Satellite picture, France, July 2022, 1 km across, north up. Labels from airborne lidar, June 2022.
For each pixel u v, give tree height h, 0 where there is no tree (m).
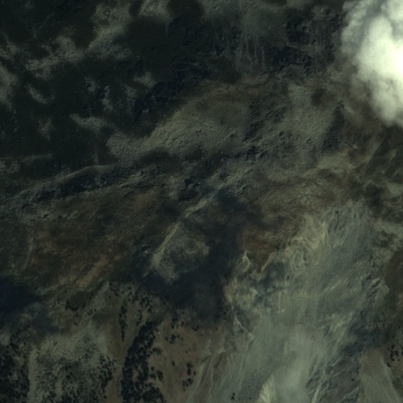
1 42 0
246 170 0
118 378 0
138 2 0
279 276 0
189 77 0
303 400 0
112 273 0
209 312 0
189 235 0
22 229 0
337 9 0
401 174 0
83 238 0
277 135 0
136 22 0
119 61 0
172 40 0
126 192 0
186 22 0
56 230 0
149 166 0
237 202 0
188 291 0
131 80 0
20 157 0
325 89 0
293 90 0
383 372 0
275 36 0
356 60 0
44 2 0
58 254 0
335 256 0
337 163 0
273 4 0
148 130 0
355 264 0
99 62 0
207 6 0
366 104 0
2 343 0
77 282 0
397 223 0
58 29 0
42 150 0
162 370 0
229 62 0
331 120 0
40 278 0
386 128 0
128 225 0
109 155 0
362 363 0
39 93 0
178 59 0
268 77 0
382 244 0
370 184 0
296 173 0
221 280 0
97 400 10
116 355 0
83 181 0
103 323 0
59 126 0
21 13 0
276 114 0
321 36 0
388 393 0
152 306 6
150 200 0
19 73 0
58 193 0
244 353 0
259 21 0
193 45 0
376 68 0
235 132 0
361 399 0
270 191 0
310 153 0
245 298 0
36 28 0
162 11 0
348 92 0
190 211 0
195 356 0
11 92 0
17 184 0
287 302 0
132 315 0
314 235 0
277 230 0
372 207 0
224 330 0
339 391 0
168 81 0
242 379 0
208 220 0
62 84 0
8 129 0
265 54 0
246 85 0
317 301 0
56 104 0
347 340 0
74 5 0
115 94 0
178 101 0
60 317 0
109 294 0
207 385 0
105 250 0
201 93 0
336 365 0
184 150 0
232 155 0
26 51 0
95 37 0
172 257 0
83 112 0
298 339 0
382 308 0
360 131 0
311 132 0
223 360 0
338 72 0
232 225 0
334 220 0
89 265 0
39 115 0
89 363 0
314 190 0
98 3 0
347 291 0
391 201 0
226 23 0
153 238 0
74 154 0
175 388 0
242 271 0
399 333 0
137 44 0
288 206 0
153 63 0
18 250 0
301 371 0
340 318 0
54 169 0
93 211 0
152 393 11
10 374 13
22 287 0
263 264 0
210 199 0
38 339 0
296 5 0
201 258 0
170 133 0
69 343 0
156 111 0
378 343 0
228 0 0
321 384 0
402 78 0
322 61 0
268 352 0
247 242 0
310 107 0
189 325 0
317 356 0
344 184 0
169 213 0
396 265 0
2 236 0
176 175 0
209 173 0
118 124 0
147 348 8
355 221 0
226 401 0
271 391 0
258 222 0
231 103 0
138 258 0
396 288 0
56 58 0
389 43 0
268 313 0
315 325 0
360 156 0
